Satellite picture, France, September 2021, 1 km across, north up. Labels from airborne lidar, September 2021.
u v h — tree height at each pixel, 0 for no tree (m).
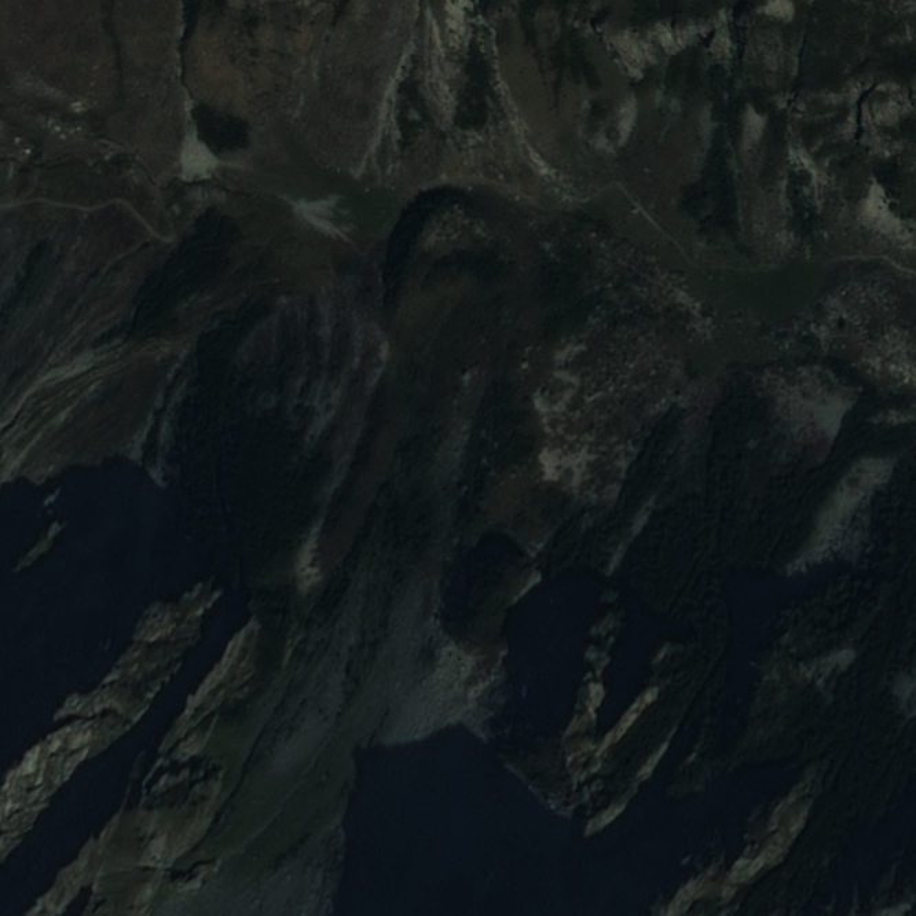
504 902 0
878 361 0
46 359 0
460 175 0
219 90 0
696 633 8
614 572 0
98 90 0
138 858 0
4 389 0
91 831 0
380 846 0
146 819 0
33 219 0
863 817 5
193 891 0
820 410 0
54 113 0
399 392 0
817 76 0
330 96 0
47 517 0
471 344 0
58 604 0
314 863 0
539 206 0
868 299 0
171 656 0
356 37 0
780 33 0
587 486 0
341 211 0
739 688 7
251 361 0
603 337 0
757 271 0
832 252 0
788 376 0
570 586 7
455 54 0
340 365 0
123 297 0
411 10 0
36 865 0
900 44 0
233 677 0
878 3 0
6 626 0
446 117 0
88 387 0
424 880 0
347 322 0
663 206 0
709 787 0
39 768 0
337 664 0
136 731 0
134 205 0
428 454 0
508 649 0
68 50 0
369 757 0
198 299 0
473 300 0
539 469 0
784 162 0
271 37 0
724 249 0
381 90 0
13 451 0
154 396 0
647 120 0
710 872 0
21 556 0
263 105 0
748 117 0
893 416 0
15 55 0
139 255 0
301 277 0
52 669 0
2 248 0
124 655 0
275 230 0
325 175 0
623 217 0
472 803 0
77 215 0
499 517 0
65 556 0
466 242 0
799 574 0
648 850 0
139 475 0
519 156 0
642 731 6
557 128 0
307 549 0
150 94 0
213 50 0
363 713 0
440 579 0
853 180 0
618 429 0
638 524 0
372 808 0
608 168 0
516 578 0
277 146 0
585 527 0
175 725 0
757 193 0
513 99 0
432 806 0
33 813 0
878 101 0
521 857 0
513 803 0
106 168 0
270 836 0
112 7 0
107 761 0
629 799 0
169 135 0
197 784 0
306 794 0
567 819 0
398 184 0
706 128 0
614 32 0
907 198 0
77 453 0
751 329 0
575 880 0
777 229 0
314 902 0
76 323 0
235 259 0
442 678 0
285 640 11
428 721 0
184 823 0
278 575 0
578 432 0
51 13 0
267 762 0
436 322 0
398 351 0
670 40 0
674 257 0
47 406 0
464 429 0
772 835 0
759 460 0
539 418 0
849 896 0
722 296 0
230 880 0
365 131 0
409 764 0
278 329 0
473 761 0
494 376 0
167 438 0
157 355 0
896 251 0
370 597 0
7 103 0
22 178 0
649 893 0
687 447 0
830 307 0
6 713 0
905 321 0
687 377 0
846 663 0
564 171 0
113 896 0
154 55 0
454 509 0
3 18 0
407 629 0
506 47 0
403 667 0
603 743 0
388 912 0
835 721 6
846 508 0
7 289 0
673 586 5
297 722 0
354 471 0
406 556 0
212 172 0
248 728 0
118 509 0
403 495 0
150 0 0
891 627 5
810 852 5
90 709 0
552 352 0
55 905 0
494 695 0
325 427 0
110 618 0
